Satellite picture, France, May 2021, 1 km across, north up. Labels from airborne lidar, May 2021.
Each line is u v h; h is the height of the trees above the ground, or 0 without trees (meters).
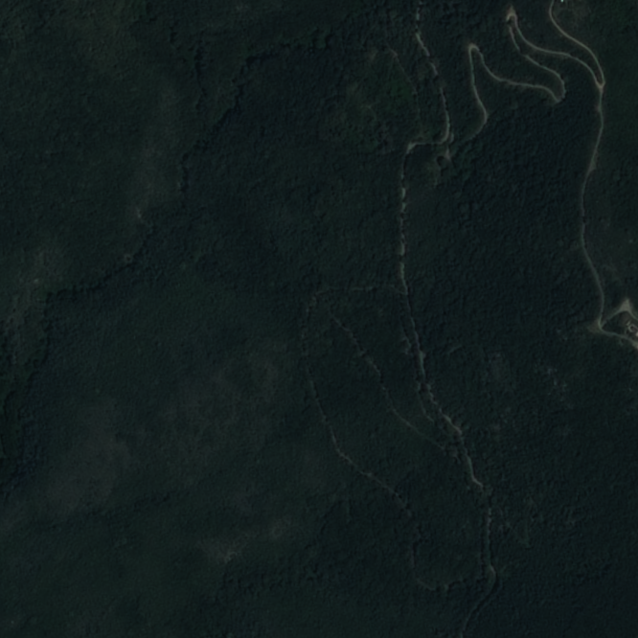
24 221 13
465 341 13
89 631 7
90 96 11
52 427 8
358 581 16
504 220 9
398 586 10
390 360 14
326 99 8
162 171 8
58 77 9
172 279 7
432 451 10
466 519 8
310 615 9
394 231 9
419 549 15
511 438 9
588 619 10
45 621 8
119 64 12
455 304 12
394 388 11
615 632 6
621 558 13
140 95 9
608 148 8
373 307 14
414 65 8
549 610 7
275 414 10
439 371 10
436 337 13
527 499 11
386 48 14
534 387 9
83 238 16
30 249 12
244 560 7
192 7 12
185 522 9
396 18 11
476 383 9
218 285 8
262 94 18
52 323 16
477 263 16
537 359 11
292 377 9
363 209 6
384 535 16
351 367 11
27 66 8
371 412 7
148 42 17
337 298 11
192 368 6
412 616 8
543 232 6
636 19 10
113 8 11
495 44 7
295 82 13
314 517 8
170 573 8
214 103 12
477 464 14
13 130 8
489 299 12
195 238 13
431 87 15
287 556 9
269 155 13
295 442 11
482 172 10
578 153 6
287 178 8
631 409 8
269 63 24
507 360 8
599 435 13
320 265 9
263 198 6
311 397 10
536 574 6
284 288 11
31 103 8
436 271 9
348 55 14
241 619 7
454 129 11
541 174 16
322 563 20
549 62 7
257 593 14
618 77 6
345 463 7
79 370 8
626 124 8
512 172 17
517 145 9
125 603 8
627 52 8
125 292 10
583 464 11
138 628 8
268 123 20
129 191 8
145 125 9
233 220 19
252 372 6
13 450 18
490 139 8
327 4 16
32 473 13
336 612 7
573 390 7
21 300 9
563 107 9
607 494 11
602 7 10
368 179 8
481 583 16
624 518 9
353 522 14
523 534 6
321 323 11
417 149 7
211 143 20
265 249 21
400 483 11
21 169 14
